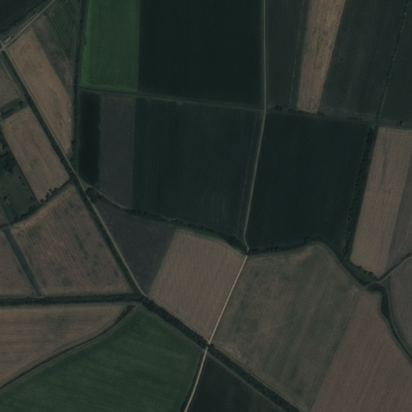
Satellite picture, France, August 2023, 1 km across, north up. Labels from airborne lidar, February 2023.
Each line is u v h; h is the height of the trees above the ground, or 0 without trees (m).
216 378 0
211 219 0
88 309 0
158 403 0
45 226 0
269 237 0
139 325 0
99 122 0
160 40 0
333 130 0
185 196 0
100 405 0
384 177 0
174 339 0
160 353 0
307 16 0
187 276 0
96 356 0
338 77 0
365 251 0
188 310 0
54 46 0
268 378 0
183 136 0
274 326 0
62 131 0
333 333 0
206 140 0
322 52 0
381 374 0
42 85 0
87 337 0
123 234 0
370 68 0
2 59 0
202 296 0
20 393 0
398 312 0
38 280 0
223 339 0
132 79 0
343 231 0
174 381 0
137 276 0
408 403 0
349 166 0
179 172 0
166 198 0
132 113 0
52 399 0
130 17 0
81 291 0
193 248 0
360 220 0
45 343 0
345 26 0
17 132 0
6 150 15
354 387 0
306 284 0
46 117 0
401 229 0
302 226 0
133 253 0
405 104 0
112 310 0
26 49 0
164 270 0
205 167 0
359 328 0
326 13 0
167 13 0
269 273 0
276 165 0
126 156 0
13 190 0
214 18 0
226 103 0
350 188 0
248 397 0
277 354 0
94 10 0
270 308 0
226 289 0
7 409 0
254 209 0
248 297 0
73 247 0
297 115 0
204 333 0
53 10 0
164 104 0
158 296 0
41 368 0
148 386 0
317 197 0
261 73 0
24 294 0
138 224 0
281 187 0
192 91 0
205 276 0
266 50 0
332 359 0
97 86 0
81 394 0
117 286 0
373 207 0
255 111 0
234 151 0
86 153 0
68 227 0
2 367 0
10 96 0
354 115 0
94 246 0
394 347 0
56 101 0
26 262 0
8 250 0
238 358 0
